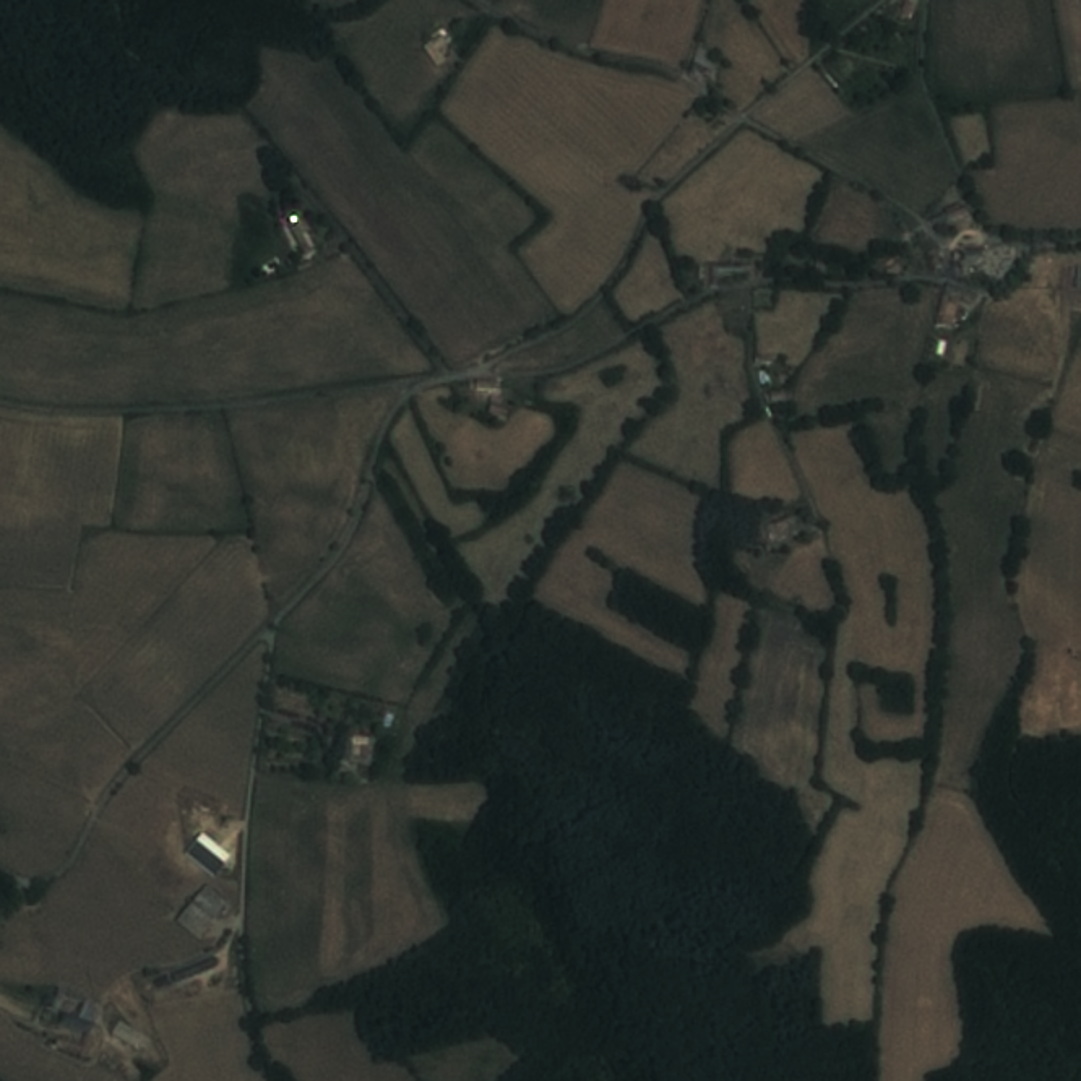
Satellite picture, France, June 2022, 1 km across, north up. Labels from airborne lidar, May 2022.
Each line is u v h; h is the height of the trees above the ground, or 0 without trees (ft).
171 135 0
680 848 61
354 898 0
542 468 41
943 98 30
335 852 0
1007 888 0
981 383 0
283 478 0
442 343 0
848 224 0
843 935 0
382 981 51
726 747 20
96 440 0
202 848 0
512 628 56
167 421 0
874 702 0
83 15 73
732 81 0
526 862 96
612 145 0
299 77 0
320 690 27
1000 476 0
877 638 0
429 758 20
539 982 76
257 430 0
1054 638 0
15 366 0
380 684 0
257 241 0
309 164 0
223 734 0
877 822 0
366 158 0
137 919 0
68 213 0
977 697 0
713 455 0
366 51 0
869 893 0
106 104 56
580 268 0
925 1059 0
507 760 62
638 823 75
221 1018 0
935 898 0
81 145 35
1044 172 0
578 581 0
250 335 0
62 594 0
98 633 0
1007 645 0
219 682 0
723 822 49
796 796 38
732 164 0
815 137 0
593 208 0
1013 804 38
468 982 52
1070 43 0
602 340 0
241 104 29
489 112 0
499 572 0
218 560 0
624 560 0
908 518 0
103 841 0
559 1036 58
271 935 0
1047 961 31
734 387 0
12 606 0
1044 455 0
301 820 0
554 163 0
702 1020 65
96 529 0
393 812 0
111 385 0
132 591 0
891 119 0
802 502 0
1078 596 0
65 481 0
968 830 0
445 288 0
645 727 62
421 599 0
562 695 59
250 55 18
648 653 0
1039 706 0
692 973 66
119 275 0
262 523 0
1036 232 42
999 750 31
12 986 0
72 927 0
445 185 0
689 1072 57
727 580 59
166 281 0
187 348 0
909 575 0
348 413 0
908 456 35
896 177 0
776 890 62
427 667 23
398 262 0
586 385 0
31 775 0
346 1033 0
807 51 0
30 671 0
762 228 0
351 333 0
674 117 0
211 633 0
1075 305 0
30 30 77
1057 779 49
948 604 52
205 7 28
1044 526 0
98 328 0
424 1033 79
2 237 0
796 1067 49
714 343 0
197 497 0
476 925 58
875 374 0
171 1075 0
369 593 0
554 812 67
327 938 0
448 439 0
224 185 0
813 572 0
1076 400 0
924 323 0
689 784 67
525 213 0
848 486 0
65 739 0
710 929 79
